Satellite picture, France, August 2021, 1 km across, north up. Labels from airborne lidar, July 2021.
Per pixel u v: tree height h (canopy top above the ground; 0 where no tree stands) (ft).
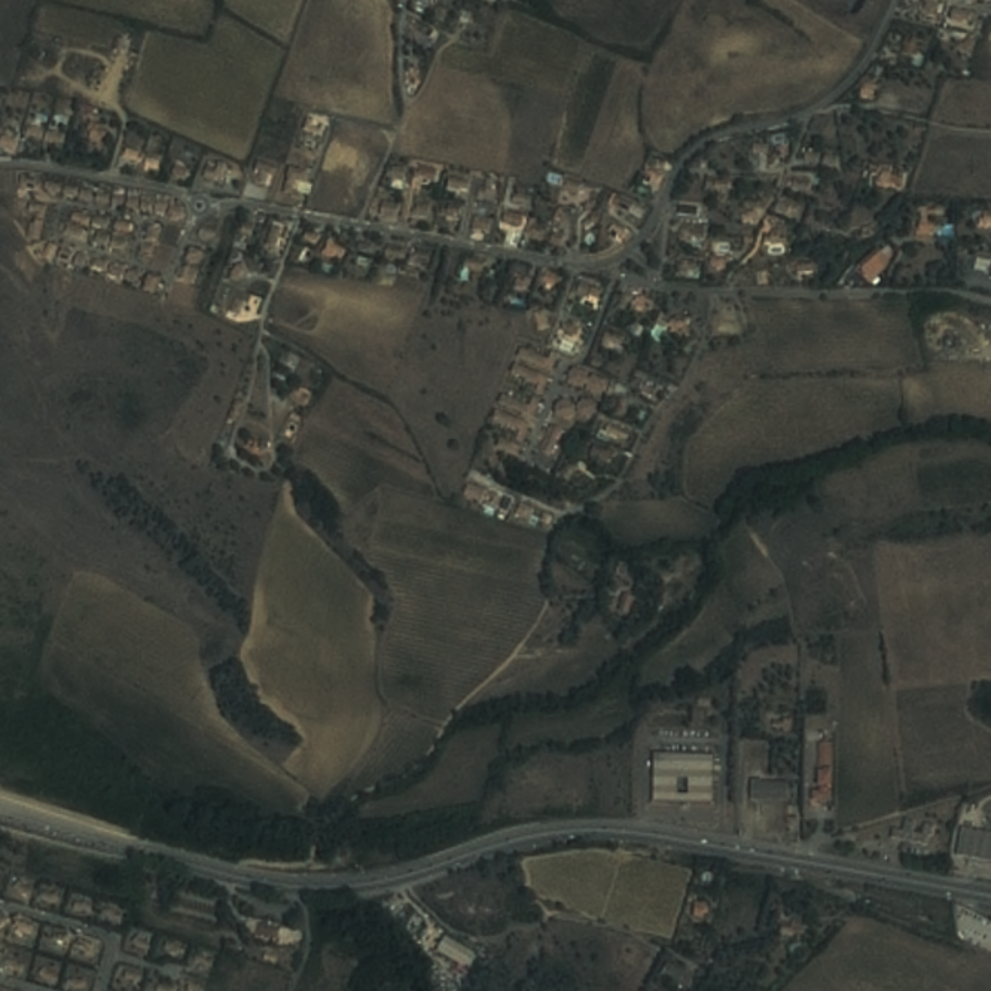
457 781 0
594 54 0
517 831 0
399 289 0
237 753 0
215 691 29
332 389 0
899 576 0
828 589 0
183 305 0
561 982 27
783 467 58
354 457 0
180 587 0
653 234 0
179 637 0
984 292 29
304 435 0
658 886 0
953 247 37
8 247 0
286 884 0
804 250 50
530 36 0
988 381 0
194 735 0
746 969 21
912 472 0
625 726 21
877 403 0
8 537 0
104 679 0
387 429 0
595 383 0
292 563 0
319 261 31
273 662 0
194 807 23
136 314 0
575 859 0
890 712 0
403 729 0
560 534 43
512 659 0
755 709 23
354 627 0
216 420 0
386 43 0
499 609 0
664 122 0
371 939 67
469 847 0
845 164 19
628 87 0
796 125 25
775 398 0
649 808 0
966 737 0
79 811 0
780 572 0
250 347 0
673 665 0
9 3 0
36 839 0
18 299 0
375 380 0
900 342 0
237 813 33
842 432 0
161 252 0
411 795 0
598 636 0
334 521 21
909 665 0
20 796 0
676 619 53
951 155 0
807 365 0
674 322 0
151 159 0
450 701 0
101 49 0
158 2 0
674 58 0
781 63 0
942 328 0
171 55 0
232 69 0
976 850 0
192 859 0
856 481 0
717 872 37
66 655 0
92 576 0
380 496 0
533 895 38
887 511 0
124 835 0
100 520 0
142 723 0
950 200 32
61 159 31
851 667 0
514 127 0
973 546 0
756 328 25
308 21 0
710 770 0
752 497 69
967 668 0
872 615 0
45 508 0
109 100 0
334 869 0
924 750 0
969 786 19
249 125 0
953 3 0
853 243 46
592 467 25
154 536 31
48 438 0
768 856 0
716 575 50
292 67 0
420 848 22
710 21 0
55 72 0
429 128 0
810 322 0
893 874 0
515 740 0
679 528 0
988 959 0
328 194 0
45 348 0
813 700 31
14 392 0
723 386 0
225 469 27
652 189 0
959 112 0
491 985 45
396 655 0
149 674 0
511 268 33
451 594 0
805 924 24
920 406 0
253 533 0
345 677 0
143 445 0
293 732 24
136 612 0
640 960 0
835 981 0
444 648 0
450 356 0
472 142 0
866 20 0
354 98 0
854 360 0
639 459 22
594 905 0
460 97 0
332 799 19
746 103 0
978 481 0
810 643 21
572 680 0
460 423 0
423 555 0
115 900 25
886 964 0
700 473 0
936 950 0
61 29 0
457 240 0
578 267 0
